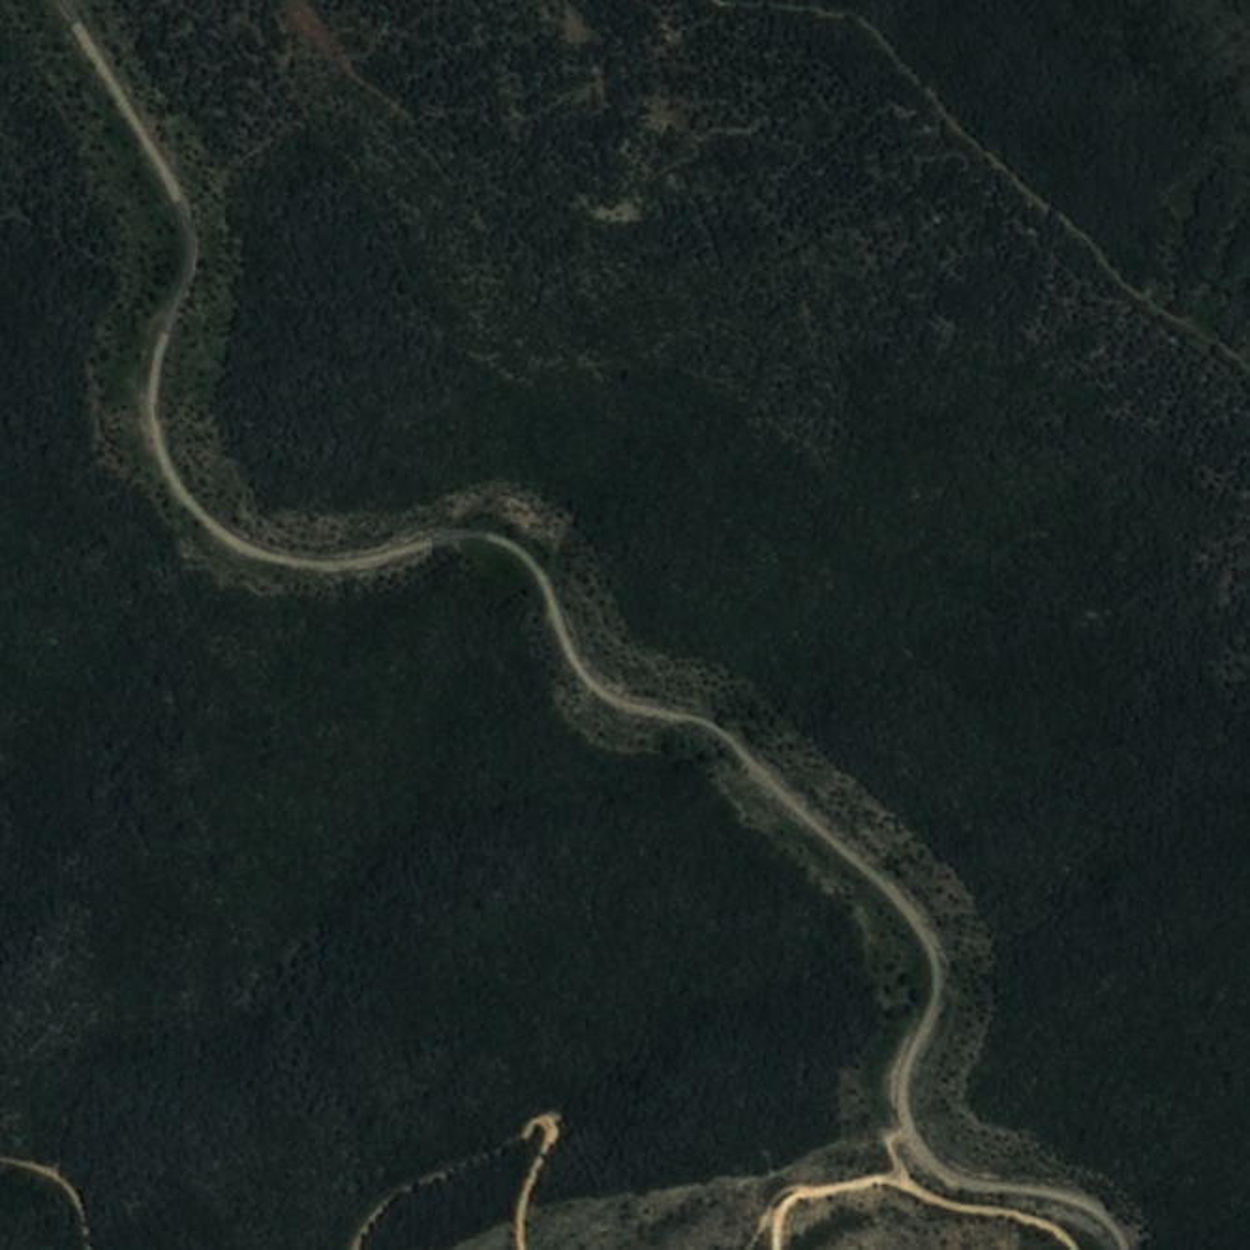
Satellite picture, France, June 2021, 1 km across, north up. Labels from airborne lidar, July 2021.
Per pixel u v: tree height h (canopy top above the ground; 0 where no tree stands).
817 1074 8
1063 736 7
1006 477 6
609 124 8
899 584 8
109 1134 9
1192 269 9
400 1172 9
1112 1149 7
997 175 9
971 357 5
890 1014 10
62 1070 10
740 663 7
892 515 6
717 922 8
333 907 12
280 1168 9
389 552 0
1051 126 10
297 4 0
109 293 12
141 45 10
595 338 6
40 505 6
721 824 6
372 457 7
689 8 8
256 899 7
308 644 10
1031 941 10
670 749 10
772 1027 10
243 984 15
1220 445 10
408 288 15
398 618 8
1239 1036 6
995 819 9
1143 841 9
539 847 6
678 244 9
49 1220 10
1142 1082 6
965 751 7
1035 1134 5
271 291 9
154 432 0
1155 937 6
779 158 9
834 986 9
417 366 8
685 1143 6
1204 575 7
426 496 8
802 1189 0
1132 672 8
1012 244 9
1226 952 7
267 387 12
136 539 7
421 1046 14
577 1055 8
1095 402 8
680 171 8
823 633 6
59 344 6
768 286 9
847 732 8
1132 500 7
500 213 9
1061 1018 5
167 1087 9
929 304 7
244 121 10
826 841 0
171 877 7
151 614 7
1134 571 7
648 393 7
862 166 8
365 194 8
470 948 8
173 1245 6
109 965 9
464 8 8
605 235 10
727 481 5
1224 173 9
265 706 9
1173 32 8
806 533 6
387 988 6
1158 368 10
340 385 7
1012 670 7
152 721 6
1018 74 10
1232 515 9
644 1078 9
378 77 6
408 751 8
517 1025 6
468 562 7
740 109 9
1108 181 11
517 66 7
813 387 7
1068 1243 0
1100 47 9
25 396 7
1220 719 9
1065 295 11
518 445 8
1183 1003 7
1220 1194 7
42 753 5
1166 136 10
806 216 10
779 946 7
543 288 9
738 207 6
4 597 6
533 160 9
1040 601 7
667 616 7
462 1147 9
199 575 7
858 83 12
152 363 0
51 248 10
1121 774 7
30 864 8
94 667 6
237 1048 12
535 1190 6
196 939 6
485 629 7
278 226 12
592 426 8
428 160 6
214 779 7
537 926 6
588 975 7
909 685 7
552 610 0
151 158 0
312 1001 9
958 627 9
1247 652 14
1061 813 8
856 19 10
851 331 8
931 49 8
